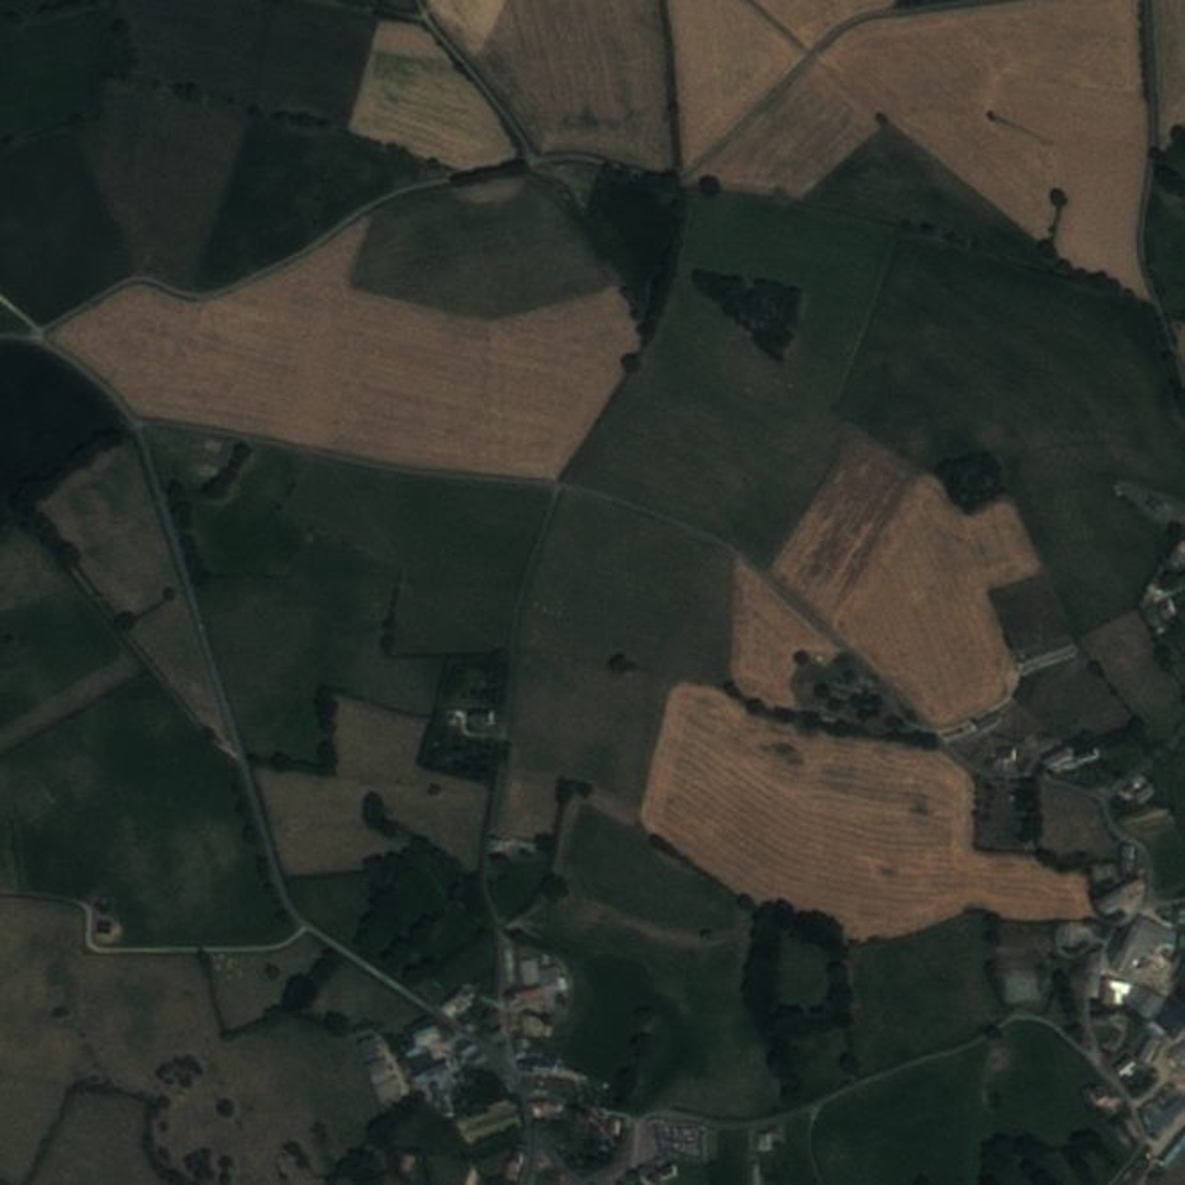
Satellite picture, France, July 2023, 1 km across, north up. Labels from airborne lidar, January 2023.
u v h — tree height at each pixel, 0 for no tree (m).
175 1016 0
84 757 0
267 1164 0
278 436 0
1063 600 0
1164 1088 0
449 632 0
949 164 0
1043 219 0
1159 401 0
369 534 0
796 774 0
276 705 0
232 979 0
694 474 0
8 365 0
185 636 0
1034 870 0
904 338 0
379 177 0
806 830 0
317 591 0
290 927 7
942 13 0
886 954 0
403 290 0
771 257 0
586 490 0
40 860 0
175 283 0
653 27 0
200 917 0
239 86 0
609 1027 0
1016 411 0
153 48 0
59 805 0
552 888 13
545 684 0
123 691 0
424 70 0
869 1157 0
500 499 0
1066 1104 0
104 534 0
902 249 0
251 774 0
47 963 0
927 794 0
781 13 0
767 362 0
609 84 0
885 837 0
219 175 0
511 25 0
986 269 0
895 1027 0
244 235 0
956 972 0
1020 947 0
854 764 0
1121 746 0
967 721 0
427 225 0
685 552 0
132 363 0
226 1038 10
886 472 0
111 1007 0
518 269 0
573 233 0
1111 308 0
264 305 0
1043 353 0
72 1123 0
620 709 0
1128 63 0
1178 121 0
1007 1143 17
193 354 0
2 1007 0
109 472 0
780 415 0
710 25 0
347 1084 0
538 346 0
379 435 0
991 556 0
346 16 0
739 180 0
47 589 0
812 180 0
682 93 0
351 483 0
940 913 0
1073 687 0
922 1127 0
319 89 0
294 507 0
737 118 0
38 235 0
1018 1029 0
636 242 0
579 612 0
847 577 0
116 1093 7
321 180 0
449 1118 7
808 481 0
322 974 16
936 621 0
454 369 0
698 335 0
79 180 0
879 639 0
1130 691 0
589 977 0
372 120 0
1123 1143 0
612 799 0
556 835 6
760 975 21
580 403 0
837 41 0
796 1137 0
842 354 0
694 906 0
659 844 11
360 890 0
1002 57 0
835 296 0
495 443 0
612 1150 8
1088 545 0
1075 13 0
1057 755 0
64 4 10
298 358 0
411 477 0
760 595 0
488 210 0
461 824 0
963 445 0
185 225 0
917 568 0
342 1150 0
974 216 0
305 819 0
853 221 0
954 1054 0
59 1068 0
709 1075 0
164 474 0
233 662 0
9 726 0
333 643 0
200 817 0
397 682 0
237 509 0
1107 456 0
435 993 0
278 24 0
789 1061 11
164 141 0
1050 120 0
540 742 0
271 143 0
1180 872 0
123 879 0
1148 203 0
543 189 0
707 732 0
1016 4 0
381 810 21
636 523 0
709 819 0
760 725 0
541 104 0
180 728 0
